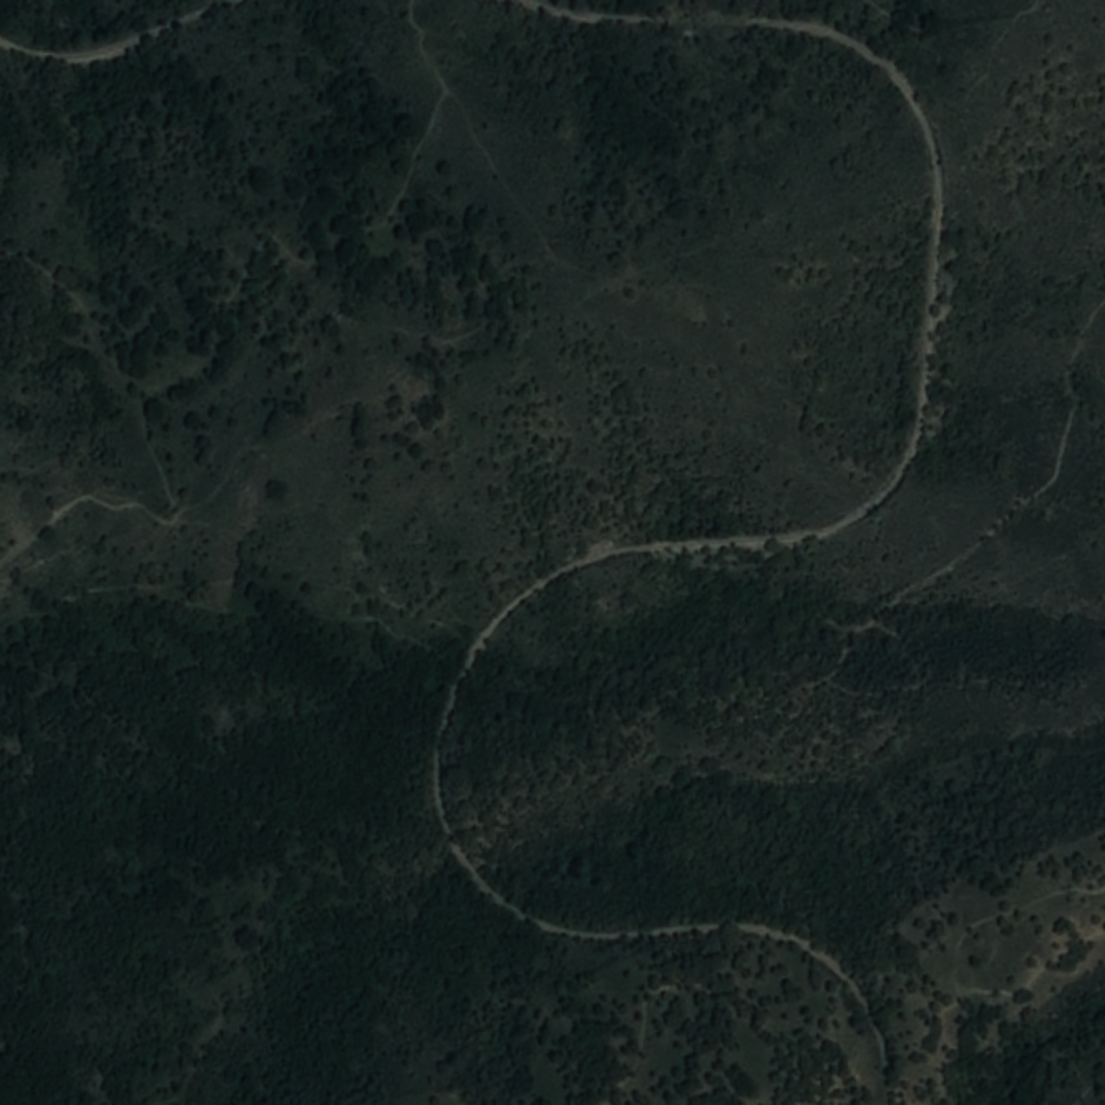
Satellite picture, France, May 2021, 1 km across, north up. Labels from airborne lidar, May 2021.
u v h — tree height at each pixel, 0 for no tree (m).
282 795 13
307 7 7
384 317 0
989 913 0
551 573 10
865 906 8
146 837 14
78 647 22
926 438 8
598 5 10
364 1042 11
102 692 12
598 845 10
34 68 8
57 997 10
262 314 8
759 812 7
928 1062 9
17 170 11
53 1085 11
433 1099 7
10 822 11
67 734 8
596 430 7
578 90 6
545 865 17
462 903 18
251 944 19
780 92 9
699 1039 9
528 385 8
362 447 8
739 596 15
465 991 12
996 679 7
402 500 0
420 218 16
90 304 0
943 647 9
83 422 6
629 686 10
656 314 0
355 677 7
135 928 10
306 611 8
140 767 12
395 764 11
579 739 6
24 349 12
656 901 11
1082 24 0
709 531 8
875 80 12
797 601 9
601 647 8
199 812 13
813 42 10
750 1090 12
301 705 12
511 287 10
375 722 15
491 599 8
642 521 8
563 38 9
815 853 8
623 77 10
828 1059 9
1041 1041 10
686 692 12
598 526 10
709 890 11
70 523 7
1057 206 0
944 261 8
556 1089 0
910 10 13
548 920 7
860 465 9
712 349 0
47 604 15
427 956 16
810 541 12
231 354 8
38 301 13
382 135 11
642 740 6
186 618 11
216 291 9
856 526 0
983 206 8
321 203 15
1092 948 10
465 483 0
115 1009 6
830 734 11
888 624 13
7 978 12
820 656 12
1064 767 7
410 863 11
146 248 13
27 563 0
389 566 6
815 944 9
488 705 6
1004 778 11
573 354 8
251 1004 8
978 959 9
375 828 13
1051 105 10
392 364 0
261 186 12
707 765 16
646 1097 11
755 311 0
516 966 10
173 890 13
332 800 14
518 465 12
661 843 11
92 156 9
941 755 8
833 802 13
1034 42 0
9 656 8
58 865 13
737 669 9
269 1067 7
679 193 9
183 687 12
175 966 8
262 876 14
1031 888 0
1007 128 7
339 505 0
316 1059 15
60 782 15
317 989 20
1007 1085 10
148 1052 9
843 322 9
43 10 10
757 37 8
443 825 9
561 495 8
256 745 9
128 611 7
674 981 11
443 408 9
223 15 19
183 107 11
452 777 13
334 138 12
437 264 9
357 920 12
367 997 16
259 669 13
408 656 6
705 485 11
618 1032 10
